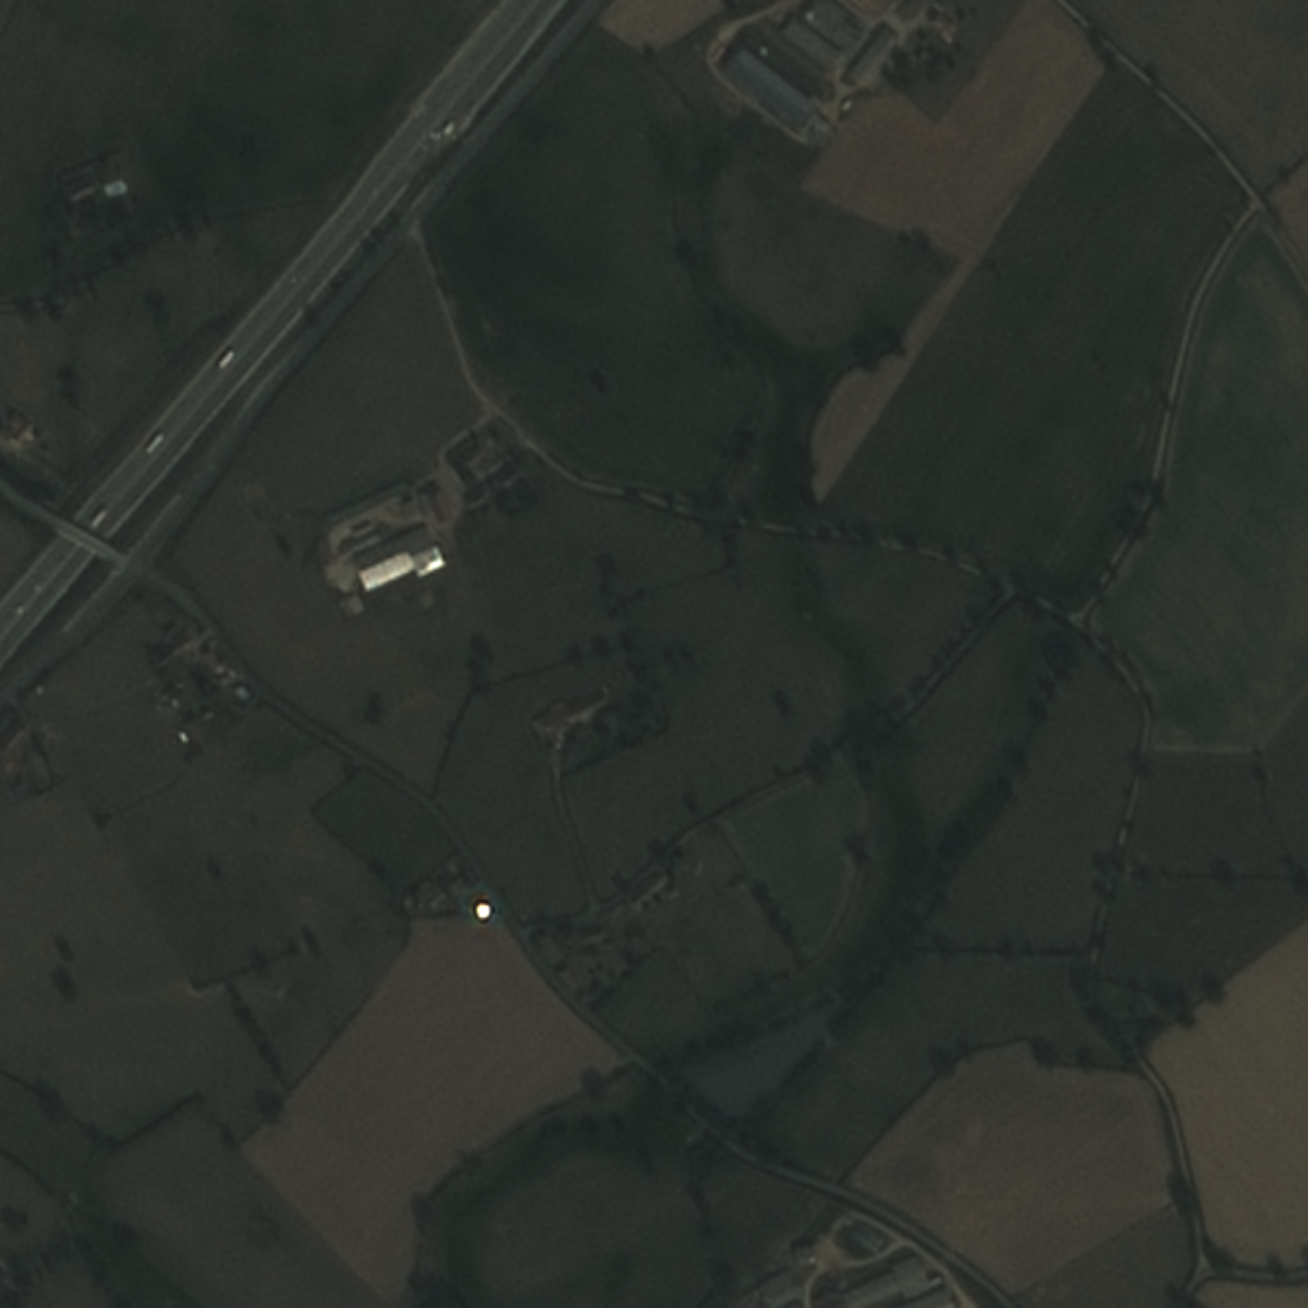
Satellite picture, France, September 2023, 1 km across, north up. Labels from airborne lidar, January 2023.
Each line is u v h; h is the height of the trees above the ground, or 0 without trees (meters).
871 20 0
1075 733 0
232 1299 0
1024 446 0
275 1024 0
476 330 0
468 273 0
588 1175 0
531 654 0
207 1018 0
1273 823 0
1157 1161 0
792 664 0
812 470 10
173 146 0
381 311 0
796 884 0
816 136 0
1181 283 0
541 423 0
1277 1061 0
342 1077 0
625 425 0
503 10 0
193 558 0
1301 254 0
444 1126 0
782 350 0
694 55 0
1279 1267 12
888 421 0
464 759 0
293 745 0
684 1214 0
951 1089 0
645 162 0
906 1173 0
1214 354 0
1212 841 0
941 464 0
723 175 0
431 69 0
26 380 0
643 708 15
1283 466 0
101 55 0
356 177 0
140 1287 0
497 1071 0
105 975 0
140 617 0
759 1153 16
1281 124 0
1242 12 0
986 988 0
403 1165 0
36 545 0
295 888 0
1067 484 0
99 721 0
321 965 0
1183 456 0
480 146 0
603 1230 0
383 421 0
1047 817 0
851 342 0
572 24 0
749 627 0
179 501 0
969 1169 0
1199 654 0
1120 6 0
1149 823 0
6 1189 0
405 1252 0
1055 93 0
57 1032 0
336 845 0
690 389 0
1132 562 0
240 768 0
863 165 0
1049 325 0
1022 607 13
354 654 0
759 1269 0
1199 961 0
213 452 0
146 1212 0
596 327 0
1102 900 13
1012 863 0
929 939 0
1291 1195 0
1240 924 0
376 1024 0
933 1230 0
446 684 0
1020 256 0
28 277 0
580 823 0
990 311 0
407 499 0
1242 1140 0
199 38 0
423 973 0
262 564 0
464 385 0
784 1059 0
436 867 0
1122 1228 0
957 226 0
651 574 0
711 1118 15
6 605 0
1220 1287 0
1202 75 0
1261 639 0
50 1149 0
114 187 0
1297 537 0
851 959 0
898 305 0
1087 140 0
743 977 0
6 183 0
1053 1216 0
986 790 0
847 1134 0
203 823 0
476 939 0
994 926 0
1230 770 0
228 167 0
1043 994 0
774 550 0
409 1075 0
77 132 0
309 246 0
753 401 0
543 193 0
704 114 0
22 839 0
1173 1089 0
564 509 0
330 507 0
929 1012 0
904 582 0
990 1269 0
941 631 0
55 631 0
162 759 0
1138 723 0
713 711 0
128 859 0
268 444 0
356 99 0
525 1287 0
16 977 0
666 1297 0
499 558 0
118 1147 7
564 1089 0
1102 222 0
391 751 0
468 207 0
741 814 0
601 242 0
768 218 0
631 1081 0
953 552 11
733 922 0
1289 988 0
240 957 0
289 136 0
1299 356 0
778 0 0
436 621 0
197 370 0
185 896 0
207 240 0
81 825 0
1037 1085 0
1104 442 0
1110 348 0
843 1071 0
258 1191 0
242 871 0
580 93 0
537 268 0
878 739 16
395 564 0
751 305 0
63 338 0
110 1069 0
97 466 0
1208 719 0
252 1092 0
